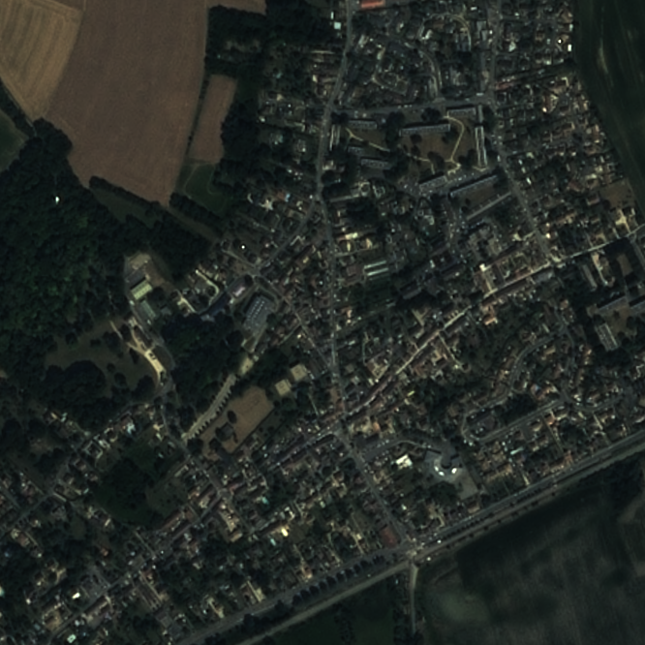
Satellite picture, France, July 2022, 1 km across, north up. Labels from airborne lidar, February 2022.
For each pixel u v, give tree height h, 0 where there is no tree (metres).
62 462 5
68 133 0
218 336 28
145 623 7
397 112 0
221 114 0
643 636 0
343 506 6
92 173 0
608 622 0
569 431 12
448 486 8
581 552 0
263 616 0
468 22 0
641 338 8
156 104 0
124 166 0
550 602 0
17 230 23
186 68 0
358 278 0
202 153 0
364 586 0
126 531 13
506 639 0
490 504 10
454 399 6
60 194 20
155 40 0
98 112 0
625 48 0
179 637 0
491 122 13
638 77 0
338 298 0
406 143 0
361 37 0
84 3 0
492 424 0
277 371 7
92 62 0
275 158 13
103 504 0
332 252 0
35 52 0
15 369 21
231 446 0
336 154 23
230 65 7
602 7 0
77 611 8
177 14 0
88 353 0
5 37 0
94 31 0
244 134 26
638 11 0
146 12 0
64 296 16
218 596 7
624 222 0
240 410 0
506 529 0
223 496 0
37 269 22
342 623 6
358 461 0
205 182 0
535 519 0
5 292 26
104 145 0
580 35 0
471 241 0
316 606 0
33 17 0
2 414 7
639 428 9
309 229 8
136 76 0
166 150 0
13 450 8
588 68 0
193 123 0
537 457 8
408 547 0
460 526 0
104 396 0
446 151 0
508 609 0
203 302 18
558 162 8
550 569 0
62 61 0
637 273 16
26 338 24
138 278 0
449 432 16
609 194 0
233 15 18
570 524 0
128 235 8
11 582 14
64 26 0
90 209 22
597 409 0
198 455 7
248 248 0
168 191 0
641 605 0
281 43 6
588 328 12
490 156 13
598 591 0
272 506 6
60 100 0
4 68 0
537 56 0
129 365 0
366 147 12
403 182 0
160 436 0
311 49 8
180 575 14
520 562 0
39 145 19
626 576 0
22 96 0
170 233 15
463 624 0
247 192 13
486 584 0
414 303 12
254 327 0
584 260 12
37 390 22
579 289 6
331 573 0
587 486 6
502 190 7
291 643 0
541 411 0
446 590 0
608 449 0
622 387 0
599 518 0
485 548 0
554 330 7
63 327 25
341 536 7
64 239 21
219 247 7
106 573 10
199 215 11
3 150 0
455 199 19
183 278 12
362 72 8
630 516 0
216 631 0
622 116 0
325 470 11
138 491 13
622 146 0
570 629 0
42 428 24
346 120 17
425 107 0
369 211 15
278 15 22
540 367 8
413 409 0
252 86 0
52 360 0
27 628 7
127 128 0
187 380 21
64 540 12
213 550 10
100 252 16
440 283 13
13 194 19
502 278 0
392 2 0
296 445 0
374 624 0
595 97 0
